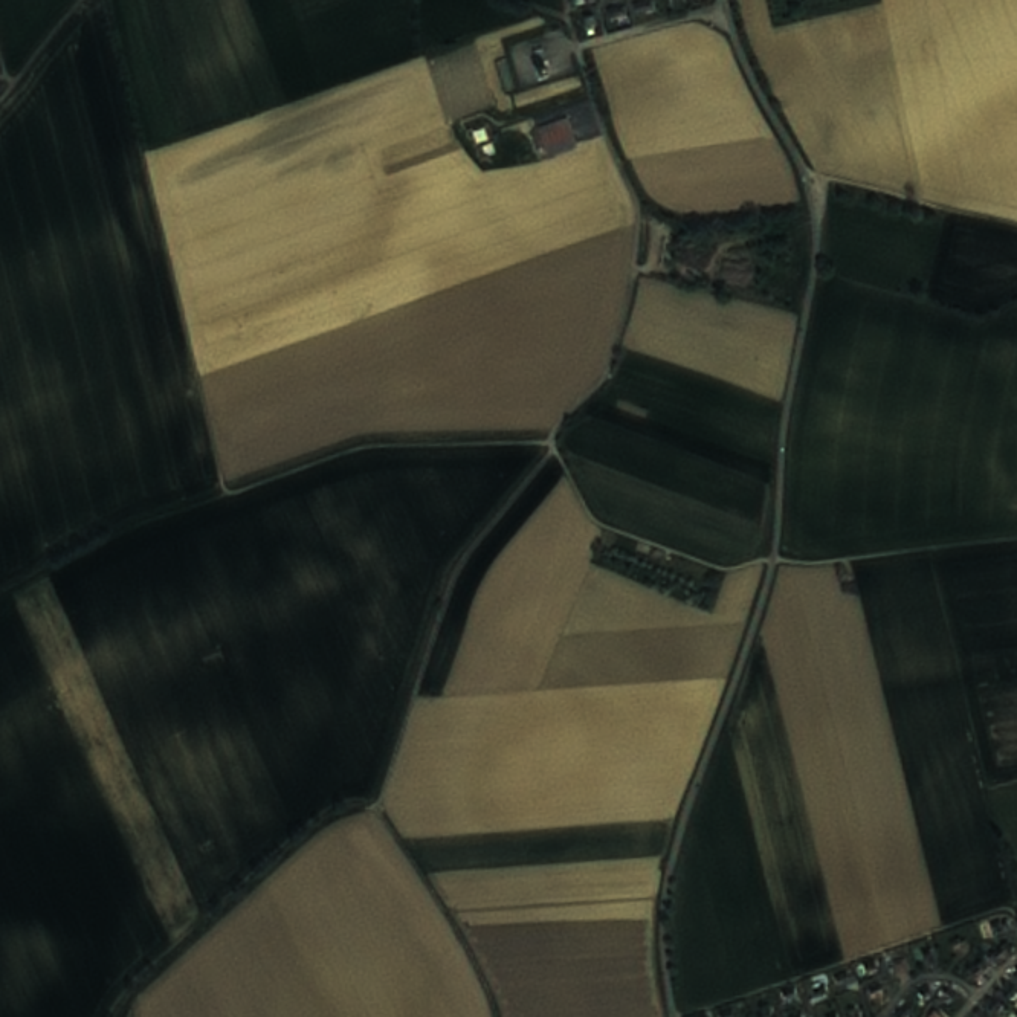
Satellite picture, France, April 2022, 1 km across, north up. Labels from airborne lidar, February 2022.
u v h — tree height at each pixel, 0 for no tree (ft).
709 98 0
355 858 0
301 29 0
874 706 0
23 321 0
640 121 0
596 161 0
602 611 0
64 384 0
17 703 0
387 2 0
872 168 0
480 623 0
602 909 0
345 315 0
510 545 0
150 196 0
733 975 0
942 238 0
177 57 0
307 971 0
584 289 0
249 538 0
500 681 0
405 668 0
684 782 0
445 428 0
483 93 0
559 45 0
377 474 0
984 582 0
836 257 0
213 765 0
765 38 0
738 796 0
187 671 0
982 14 0
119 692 0
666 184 0
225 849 0
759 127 0
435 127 0
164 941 0
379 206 0
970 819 0
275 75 0
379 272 0
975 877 0
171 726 0
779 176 0
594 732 0
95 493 0
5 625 0
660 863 0
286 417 0
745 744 0
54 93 0
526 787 0
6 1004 0
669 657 0
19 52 0
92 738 0
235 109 0
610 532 0
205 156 0
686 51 0
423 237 0
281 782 0
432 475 0
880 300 0
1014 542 0
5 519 0
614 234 0
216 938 0
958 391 0
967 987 0
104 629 0
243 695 0
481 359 0
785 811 0
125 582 0
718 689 0
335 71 0
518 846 0
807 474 0
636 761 0
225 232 0
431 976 0
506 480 0
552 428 0
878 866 0
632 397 0
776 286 0
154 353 0
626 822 0
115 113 0
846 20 0
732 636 0
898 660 0
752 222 58
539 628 0
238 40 0
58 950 0
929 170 0
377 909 0
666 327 0
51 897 0
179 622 0
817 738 0
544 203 0
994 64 0
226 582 0
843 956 0
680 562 0
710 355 0
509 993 0
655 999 0
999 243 0
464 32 0
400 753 0
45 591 0
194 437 0
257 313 0
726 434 0
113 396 0
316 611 0
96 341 0
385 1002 0
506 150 0
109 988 0
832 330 0
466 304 0
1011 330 0
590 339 0
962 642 0
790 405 0
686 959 0
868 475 0
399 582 0
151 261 0
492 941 0
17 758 0
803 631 0
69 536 0
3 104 0
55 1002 0
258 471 0
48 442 0
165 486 0
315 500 0
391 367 0
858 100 0
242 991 0
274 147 0
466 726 0
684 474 0
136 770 0
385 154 0
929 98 0
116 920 0
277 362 0
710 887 0
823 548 0
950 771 0
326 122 0
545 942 0
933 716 0
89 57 0
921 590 0
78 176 0
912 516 0
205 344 0
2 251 0
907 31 0
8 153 0
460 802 0
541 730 0
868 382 0
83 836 0
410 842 0
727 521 0
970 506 0
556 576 0
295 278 0
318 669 0
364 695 0
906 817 0
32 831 0
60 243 0
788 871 0
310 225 0
